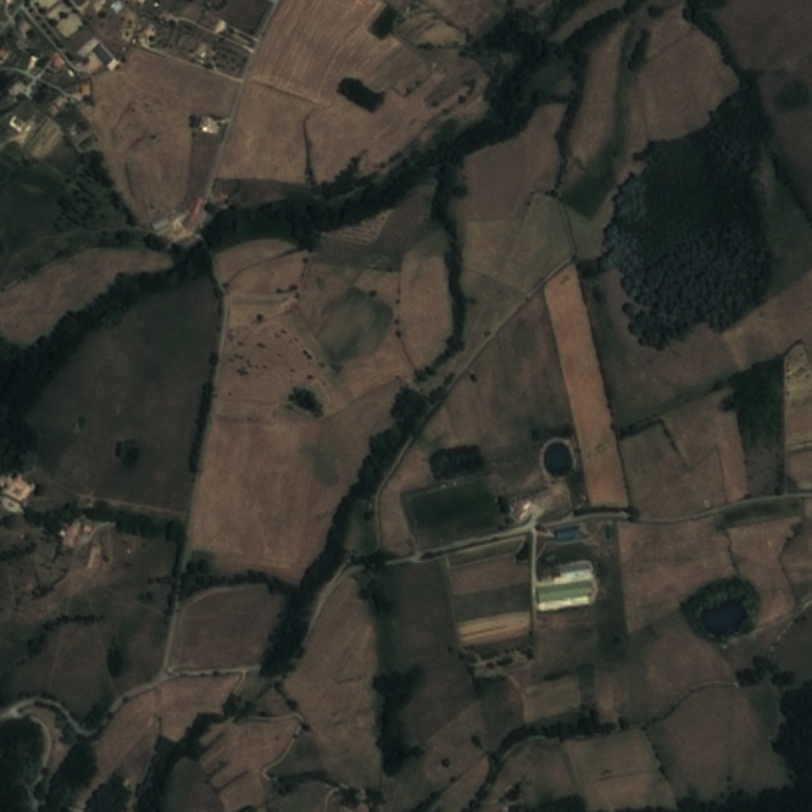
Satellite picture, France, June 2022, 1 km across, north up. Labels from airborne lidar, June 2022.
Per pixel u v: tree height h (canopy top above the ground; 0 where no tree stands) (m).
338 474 0
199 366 0
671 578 0
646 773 0
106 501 0
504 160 0
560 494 0
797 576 0
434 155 18
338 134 0
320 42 0
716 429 0
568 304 0
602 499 0
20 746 8
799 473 0
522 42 10
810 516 0
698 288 19
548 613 0
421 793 0
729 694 0
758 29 0
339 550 16
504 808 0
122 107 0
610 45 0
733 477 0
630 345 0
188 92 0
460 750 0
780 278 0
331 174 0
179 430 0
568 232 0
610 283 0
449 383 8
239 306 0
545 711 0
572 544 0
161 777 18
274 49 0
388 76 0
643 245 7
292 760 0
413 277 0
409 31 0
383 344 0
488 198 0
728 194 11
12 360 18
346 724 0
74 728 10
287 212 28
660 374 0
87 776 7
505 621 0
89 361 0
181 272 17
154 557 0
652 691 0
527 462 0
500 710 0
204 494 0
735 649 0
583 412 0
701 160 6
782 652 0
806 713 13
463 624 0
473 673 7
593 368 0
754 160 11
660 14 9
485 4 0
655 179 6
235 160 0
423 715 0
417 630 0
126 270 0
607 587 0
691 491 0
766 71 6
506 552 0
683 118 0
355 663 0
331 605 0
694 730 0
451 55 0
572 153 0
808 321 0
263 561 0
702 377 0
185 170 0
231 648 0
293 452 0
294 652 14
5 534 0
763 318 0
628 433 11
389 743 13
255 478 0
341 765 0
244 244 0
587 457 0
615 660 0
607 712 0
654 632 0
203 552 0
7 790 6
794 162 0
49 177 0
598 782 0
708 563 0
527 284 0
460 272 11
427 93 0
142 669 0
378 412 0
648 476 0
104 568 0
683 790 0
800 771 8
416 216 0
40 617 0
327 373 0
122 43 0
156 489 0
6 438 27
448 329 0
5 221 0
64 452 0
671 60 0
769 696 0
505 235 0
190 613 0
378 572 6
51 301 0
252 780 0
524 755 0
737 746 0
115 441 0
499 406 0
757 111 7
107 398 0
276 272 0
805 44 0
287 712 0
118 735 0
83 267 0
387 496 0
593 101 0
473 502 0
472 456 12
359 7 0
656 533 0
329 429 0
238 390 0
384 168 8
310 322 0
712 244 8
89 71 0
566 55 18
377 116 0
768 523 0
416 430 7
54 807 14
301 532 0
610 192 0
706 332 0
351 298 0
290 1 0
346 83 14
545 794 0
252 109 0
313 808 0
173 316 0
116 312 16
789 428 0
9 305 0
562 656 0
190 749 14
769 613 0
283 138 0
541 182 0
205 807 0
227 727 0
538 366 0
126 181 0
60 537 7
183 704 0
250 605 0
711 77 0
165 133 0
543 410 0
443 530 0
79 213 9
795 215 0
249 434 0
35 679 0
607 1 0
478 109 0
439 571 0
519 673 0
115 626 0
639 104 0
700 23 14
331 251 0
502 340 0
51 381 16
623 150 0
